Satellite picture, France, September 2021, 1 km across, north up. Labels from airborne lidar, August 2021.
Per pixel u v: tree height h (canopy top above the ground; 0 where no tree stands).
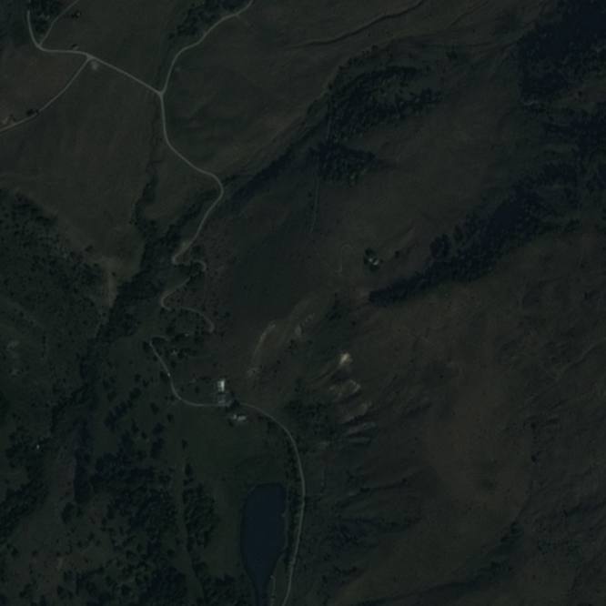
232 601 17
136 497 21
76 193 0
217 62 0
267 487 0
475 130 0
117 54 0
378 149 0
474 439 0
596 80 0
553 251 0
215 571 0
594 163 8
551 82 10
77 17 9
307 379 0
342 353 0
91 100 0
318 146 0
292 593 0
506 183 0
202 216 0
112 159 0
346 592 0
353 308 0
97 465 0
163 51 0
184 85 0
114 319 11
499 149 0
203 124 0
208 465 0
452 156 0
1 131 0
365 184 0
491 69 0
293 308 0
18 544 0
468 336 0
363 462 0
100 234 0
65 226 0
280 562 0
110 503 0
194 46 0
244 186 0
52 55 0
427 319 0
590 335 0
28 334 0
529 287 0
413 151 0
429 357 0
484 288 0
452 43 0
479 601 0
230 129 0
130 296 16
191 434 0
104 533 12
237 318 0
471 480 0
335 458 0
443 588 0
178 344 12
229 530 0
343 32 0
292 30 0
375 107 6
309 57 0
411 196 0
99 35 0
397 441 0
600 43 10
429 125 0
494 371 0
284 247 0
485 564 0
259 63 0
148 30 0
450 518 0
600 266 0
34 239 10
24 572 0
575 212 6
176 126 0
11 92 0
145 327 0
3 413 21
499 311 0
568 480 0
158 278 0
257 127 0
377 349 0
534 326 0
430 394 0
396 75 12
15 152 0
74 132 0
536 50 6
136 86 0
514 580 0
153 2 0
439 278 13
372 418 0
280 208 0
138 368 0
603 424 0
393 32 0
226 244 0
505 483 0
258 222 0
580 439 0
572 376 0
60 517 0
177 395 0
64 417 16
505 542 8
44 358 8
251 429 0
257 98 0
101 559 0
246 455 0
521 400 0
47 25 10
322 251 0
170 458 0
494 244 10
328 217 0
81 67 0
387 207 0
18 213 10
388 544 0
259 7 0
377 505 0
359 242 0
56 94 0
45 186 0
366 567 0
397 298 9
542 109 7
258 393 0
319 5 0
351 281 0
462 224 0
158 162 0
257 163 0
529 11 0
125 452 14
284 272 0
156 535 12
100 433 0
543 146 0
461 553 0
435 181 0
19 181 0
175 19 0
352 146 0
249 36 0
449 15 0
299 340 0
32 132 0
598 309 0
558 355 0
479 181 0
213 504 9
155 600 23
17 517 23
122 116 0
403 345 0
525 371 0
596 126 7
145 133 0
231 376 0
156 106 0
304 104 0
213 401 0
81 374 10
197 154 0
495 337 0
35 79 0
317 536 0
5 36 0
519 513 0
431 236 0
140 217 9
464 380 0
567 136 9
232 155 0
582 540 0
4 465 0
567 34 0
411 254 0
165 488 16
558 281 0
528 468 0
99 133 0
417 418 0
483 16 0
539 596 0
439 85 0
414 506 0
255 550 0
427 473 0
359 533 0
